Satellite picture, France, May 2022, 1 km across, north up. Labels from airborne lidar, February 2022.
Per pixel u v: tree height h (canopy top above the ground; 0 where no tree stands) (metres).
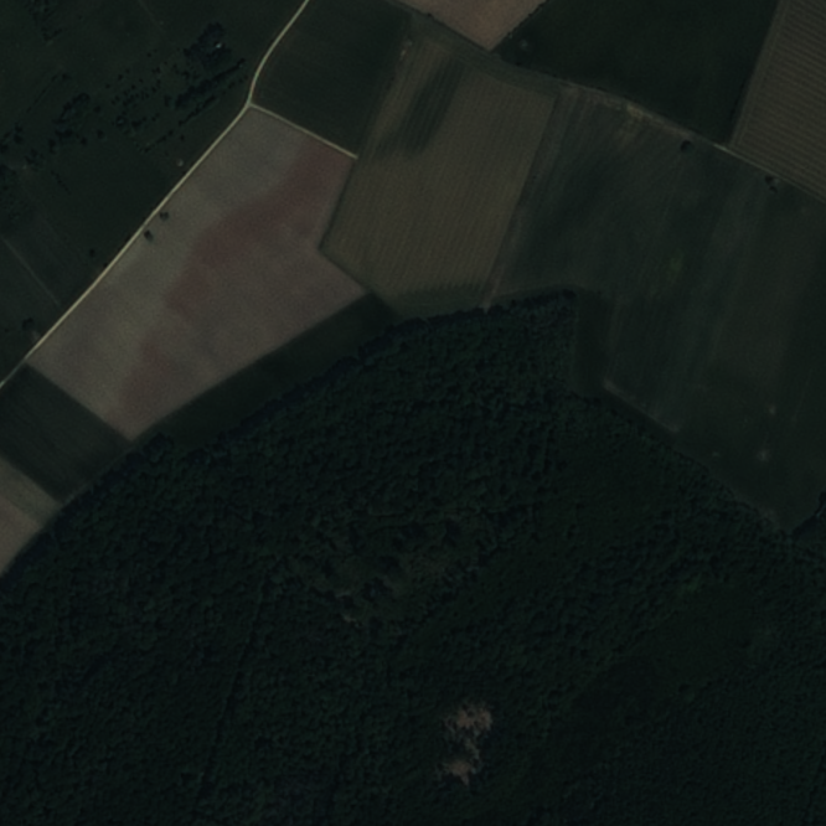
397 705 27
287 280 0
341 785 24
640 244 0
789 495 0
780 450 0
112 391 0
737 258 0
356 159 0
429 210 0
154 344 0
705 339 0
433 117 0
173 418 0
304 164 0
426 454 22
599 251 0
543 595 21
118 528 27
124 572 30
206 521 18
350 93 0
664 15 0
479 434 27
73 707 25
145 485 29
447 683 22
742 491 0
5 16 0
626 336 0
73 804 27
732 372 0
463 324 22
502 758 19
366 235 0
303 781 23
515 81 0
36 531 0
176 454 23
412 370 28
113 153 0
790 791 20
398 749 21
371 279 0
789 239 0
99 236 0
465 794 19
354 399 26
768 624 18
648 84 0
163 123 0
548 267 0
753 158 0
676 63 0
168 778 27
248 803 29
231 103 0
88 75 0
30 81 0
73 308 0
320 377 0
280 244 0
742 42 0
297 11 0
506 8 0
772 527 16
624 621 24
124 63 0
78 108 10
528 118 0
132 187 0
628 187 0
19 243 0
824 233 0
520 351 26
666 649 15
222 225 0
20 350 0
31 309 0
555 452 18
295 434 17
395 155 0
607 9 0
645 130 0
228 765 26
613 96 0
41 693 24
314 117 0
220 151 0
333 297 0
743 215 0
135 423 0
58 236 0
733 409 0
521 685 25
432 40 0
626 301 0
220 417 0
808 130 0
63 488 0
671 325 0
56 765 25
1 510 0
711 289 0
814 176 0
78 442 0
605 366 0
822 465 0
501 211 0
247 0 0
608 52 0
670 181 0
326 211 0
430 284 0
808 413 0
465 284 0
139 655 21
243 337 0
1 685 31
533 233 0
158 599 26
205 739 20
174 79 0
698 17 0
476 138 0
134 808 24
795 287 0
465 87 0
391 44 0
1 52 0
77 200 0
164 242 0
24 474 0
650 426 0
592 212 0
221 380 0
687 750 17
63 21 0
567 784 20
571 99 0
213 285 0
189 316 0
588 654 28
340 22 0
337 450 27
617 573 25
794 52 0
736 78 0
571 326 15
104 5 0
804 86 0
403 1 0
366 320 0
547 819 30
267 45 0
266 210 0
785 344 0
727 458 0
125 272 0
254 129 0
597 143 0
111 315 0
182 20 0
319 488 27
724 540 26
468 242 0
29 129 0
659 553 16
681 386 0
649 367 0
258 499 30
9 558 0
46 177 0
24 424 0
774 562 21
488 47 0
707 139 0
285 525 28
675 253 0
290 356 0
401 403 18
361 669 19
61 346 0
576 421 22
